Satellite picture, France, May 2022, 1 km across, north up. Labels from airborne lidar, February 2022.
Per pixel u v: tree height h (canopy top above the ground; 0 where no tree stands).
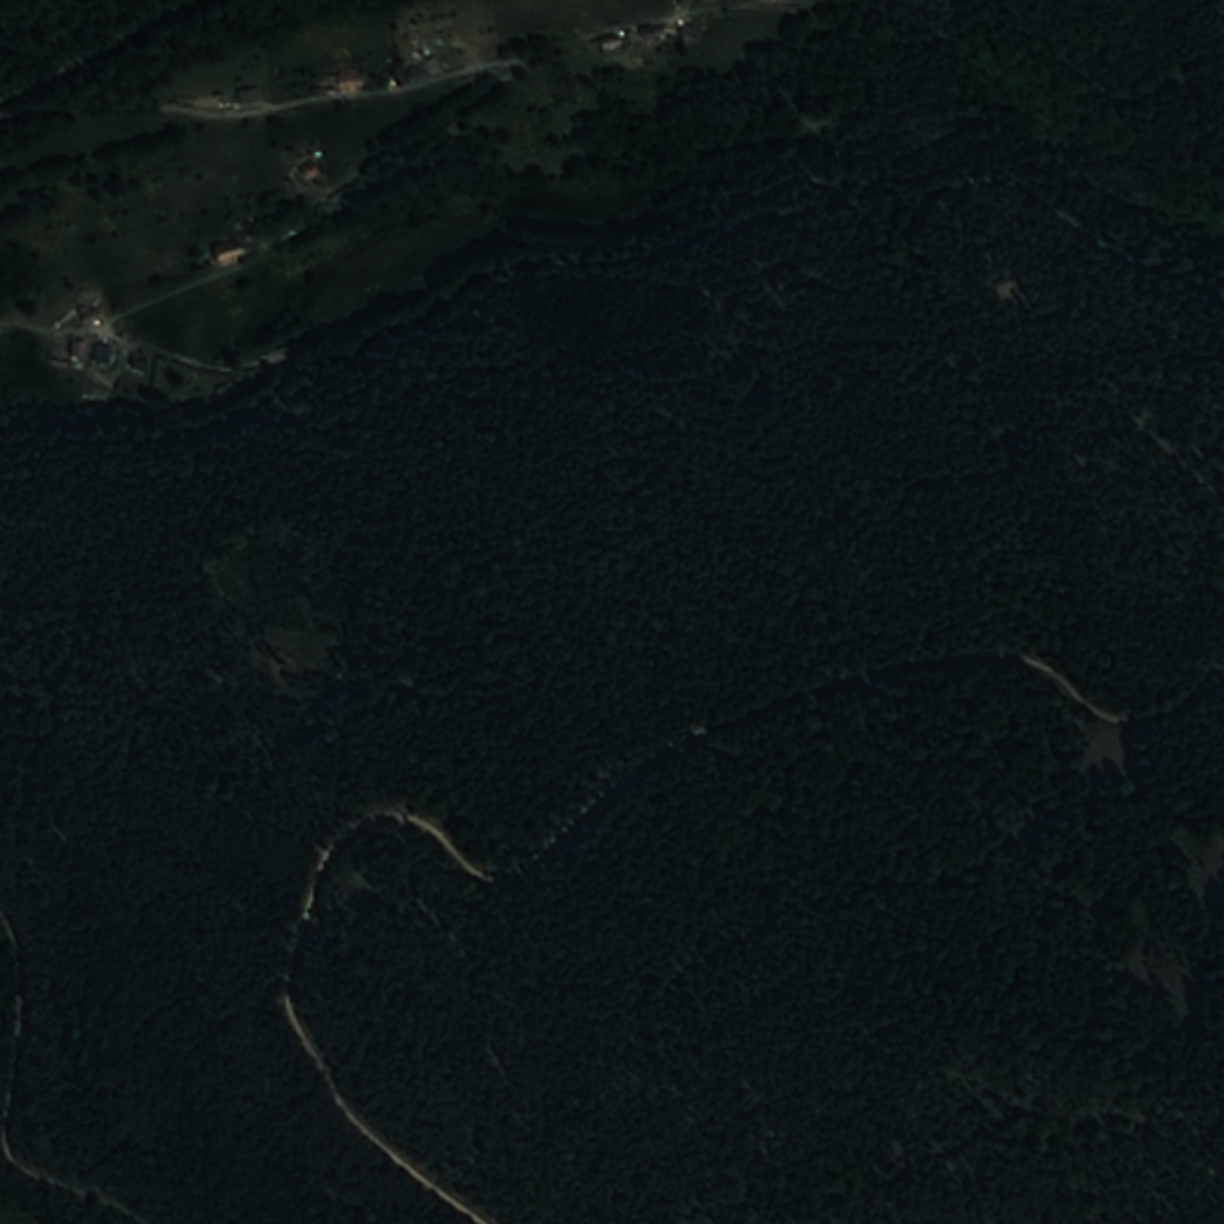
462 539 25
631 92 0
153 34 22
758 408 29
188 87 0
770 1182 14
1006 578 28
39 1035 11
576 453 29
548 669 31
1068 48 20
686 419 30
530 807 27
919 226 30
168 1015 23
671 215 21
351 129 0
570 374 9
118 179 16
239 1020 25
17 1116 13
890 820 24
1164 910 28
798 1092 21
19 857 16
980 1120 25
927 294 21
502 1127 24
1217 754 28
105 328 0
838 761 28
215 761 10
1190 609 25
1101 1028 32
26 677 22
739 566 28
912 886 26
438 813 17
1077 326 31
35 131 20
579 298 16
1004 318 27
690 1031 26
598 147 17
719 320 8
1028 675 30
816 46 18
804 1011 25
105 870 19
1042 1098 12
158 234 0
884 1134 25
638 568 26
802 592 29
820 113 25
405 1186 25
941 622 26
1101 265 31
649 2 0
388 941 28
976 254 27
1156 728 26
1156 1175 28
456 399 21
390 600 32
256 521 32
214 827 23
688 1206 25
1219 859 0
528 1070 23
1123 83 16
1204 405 8
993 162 24
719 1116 22
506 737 28
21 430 24
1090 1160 24
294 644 0
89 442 23
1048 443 26
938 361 24
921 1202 26
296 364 19
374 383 23
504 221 0
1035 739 30
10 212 11
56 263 0
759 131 20
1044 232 27
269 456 32
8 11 29
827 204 29
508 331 25
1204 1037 24
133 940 19
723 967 26
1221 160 22
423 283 0
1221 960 28
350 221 23
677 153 24
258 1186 16
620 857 29
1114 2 20
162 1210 16
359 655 9
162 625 36
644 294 14
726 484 29
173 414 23
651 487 24
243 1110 24
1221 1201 27
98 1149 14
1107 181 28
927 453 29
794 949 29
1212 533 29
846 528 26
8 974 9
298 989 17
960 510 24
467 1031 23
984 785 25
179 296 0
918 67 27
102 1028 24
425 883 25
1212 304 40
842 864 25
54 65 24
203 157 0
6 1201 15
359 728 28
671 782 22
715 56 0
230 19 25
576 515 25
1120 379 24
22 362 0
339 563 35
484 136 19
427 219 19
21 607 30
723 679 29
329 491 33
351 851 12
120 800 22
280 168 0
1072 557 27
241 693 7
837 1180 17
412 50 0
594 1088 21
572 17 0
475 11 0
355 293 0
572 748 26
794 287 30
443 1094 25
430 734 30
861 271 29
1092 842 29
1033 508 26
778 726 30
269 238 16
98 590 30
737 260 27
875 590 27
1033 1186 26
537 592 27
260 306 0
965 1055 12
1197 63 27
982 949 30
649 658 26
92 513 28
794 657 27
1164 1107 29
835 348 30
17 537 30
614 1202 26
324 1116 25
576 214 0
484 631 31
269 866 17
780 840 29
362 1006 20
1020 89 26
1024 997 27
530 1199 23
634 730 26
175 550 25
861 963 27
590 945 27
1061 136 7
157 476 27
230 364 25
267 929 24
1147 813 28
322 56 0
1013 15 22
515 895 31
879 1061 22
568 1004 26
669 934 27
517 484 26
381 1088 24
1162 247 33
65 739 21
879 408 29
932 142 25
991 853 28
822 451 26
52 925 19
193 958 21
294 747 27
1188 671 24
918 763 20
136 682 34
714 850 25
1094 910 0
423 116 22
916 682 20
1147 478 27
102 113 10
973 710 28
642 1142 21
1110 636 28
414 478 31
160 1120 14
